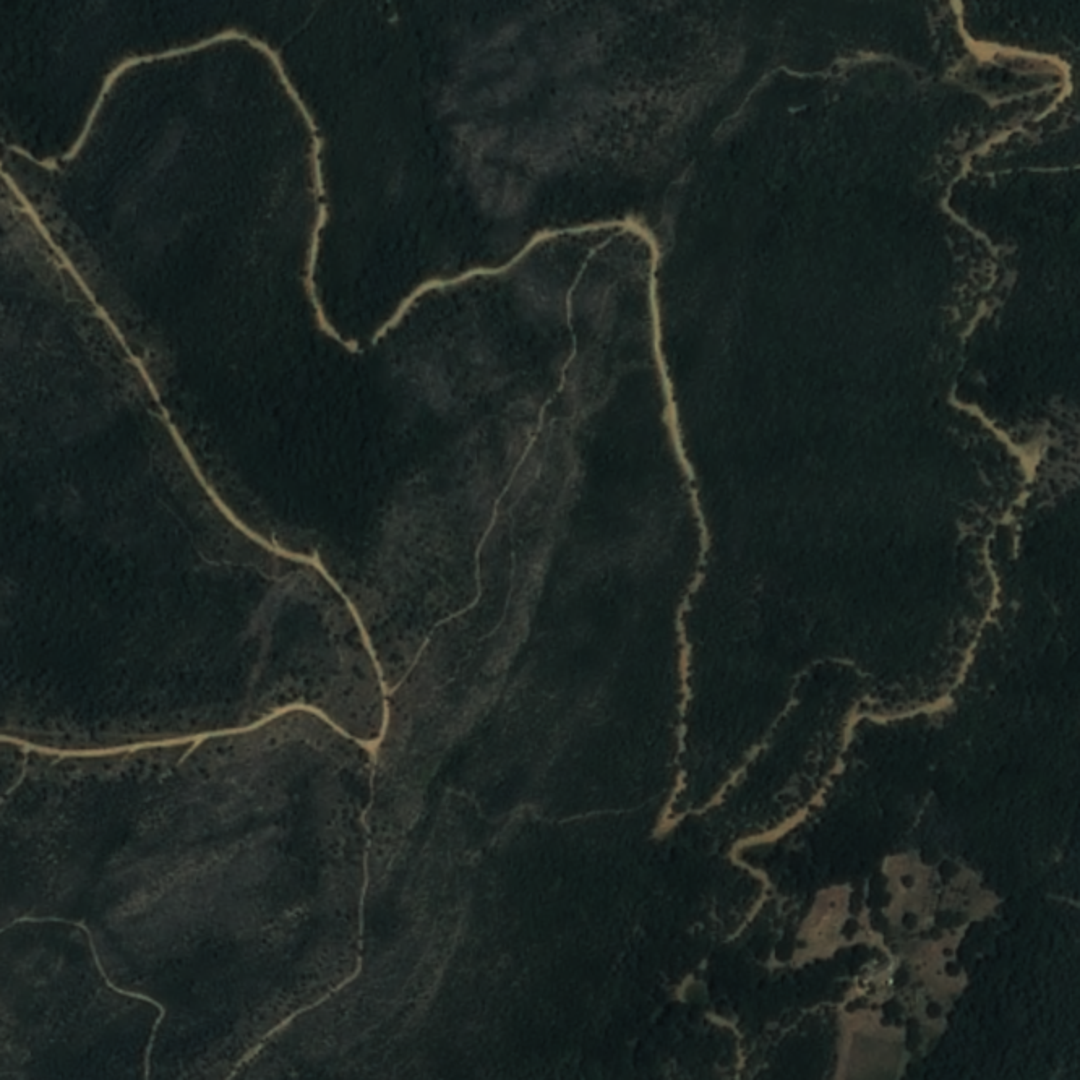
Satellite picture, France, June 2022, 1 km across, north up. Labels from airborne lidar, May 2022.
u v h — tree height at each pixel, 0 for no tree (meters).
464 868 7
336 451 6
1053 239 10
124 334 8
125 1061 6
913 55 10
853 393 11
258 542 0
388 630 7
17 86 9
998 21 14
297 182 6
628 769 9
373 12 10
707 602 8
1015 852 13
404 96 8
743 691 12
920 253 7
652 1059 18
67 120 7
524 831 8
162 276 11
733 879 12
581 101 0
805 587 8
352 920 6
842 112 13
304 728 0
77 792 8
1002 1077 8
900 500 8
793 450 12
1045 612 12
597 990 10
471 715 0
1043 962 13
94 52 8
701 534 7
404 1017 7
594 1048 17
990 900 0
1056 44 9
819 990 14
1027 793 11
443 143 8
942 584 9
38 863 6
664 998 17
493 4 6
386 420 9
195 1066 6
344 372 9
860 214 10
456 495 0
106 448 6
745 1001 11
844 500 10
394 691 0
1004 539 13
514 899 7
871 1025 0
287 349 10
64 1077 7
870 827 15
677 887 14
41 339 6
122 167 8
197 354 8
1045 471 9
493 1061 6
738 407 6
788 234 11
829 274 7
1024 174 7
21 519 8
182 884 0
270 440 8
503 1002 6
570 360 0
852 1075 0
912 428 13
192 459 0
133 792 7
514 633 0
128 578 8
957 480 8
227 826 0
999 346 6
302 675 8
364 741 0
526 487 0
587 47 0
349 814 7
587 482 8
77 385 9
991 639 11
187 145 7
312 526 9
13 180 0
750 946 11
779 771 13
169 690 11
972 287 9
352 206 11
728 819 11
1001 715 12
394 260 11
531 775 7
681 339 10
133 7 6
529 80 0
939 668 10
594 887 11
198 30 8
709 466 7
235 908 0
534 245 0
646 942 14
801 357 11
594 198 8
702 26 7
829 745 10
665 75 6
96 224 7
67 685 13
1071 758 6
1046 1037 11
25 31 9
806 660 18
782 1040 9
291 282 12
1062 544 10
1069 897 8
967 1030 9
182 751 0
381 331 0
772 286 7
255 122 7
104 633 7
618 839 6
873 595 10
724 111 9
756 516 8
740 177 12
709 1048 14
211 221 8
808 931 0
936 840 9
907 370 11
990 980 17
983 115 9
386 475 10
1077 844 7
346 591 7
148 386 0
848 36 8
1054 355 8
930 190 12
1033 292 5
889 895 11
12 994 0
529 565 0
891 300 5
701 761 14
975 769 16
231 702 10
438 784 9
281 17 7
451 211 9
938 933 7
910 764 18
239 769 0
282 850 7
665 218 0
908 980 13
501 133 0
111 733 12
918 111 10
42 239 0
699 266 6
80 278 0
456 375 7
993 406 15
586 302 0
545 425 0
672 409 0
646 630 6
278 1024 0
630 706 6
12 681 12
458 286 0
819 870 13
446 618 6
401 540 0
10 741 0
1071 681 19
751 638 10
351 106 6
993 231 11
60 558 7
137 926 0
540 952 6
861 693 14
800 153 11
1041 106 9
